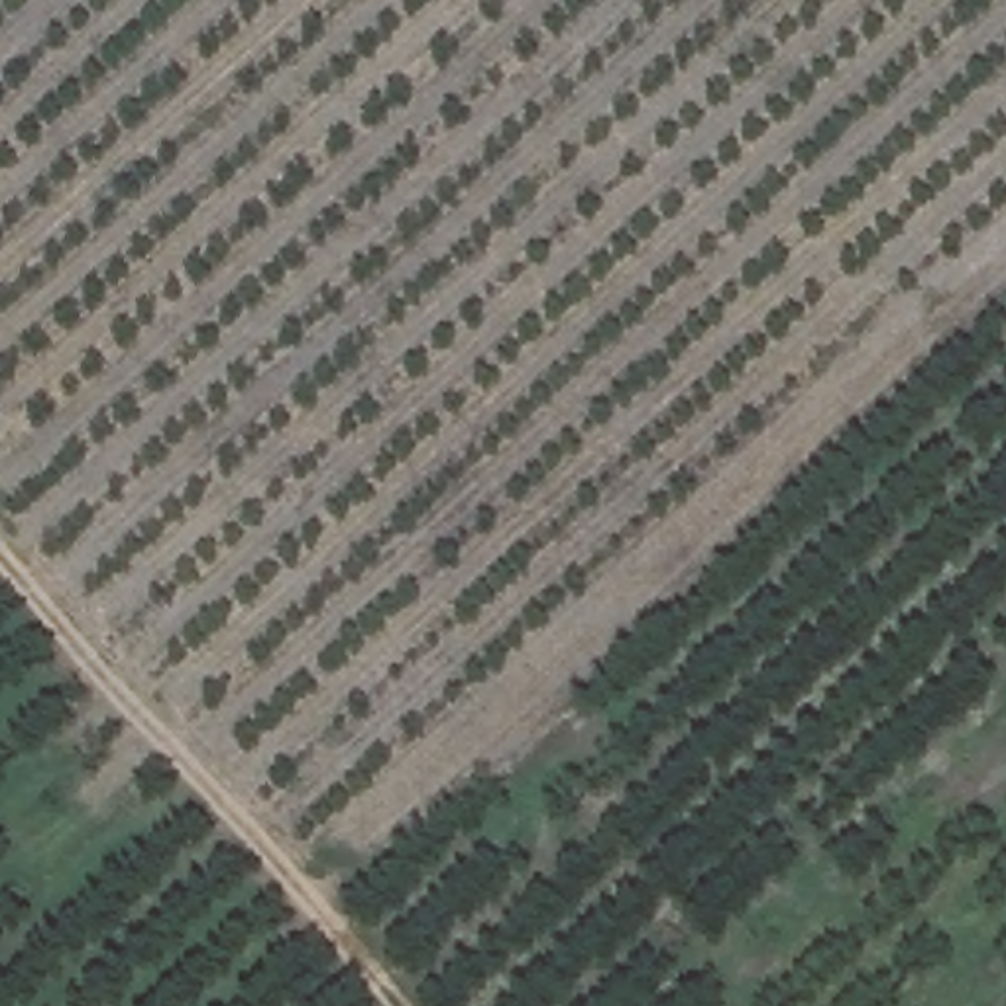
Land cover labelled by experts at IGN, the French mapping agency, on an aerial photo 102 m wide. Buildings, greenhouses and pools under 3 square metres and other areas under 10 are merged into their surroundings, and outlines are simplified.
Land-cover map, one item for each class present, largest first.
<instances>
[{"label":"deciduous trees","instance_id":"1","mask_svg":"<svg viewBox=\"0 0 1006 1006\"><path fill-rule=\"evenodd\" d=\"M110 0H83L67 16L51 20L47 31L24 55L8 59L0 71V102L31 75V67L47 51L63 47L67 35H75ZM189 0H145V8L130 24H122L102 47H94L79 71H71L16 122L24 141H39V130L51 118L86 98L122 59H130L141 47L149 31H161L169 16L181 12ZM428 0H401L393 8H381L377 20L354 35L350 51L330 55V63H322L310 75L314 94L350 79L354 67L369 59L397 31V24L417 16ZM597 0H554L546 8L550 31H566V24H574ZM680 0H641V16L621 20L609 39L589 47L582 71H570L566 79L554 75L550 98L527 102L523 118H507L483 141L479 157L440 177L420 204L397 216V236L405 244L428 232L440 220V212L479 181V173L503 161L519 145V138L538 126V118L558 114L570 102V94L601 71L605 59L644 43L660 12ZM758 0H723L719 16L699 20L688 35L676 39V51L644 67L641 86L648 94H656L676 71H684L692 55H703L715 43V35L731 31L735 20L747 16ZM994 0H955L943 16L927 20V28L912 35L865 83V90L849 94L802 141H794V157L786 165L766 169L751 189H743L727 204L731 232H743L758 212H766L770 200L790 185V177H798L825 149H833L857 118H865L872 106H884L920 59L935 55V47L955 28L978 20ZM322 35V16L310 8L303 16L299 35L275 39V51L236 71V83L244 90H255L267 75L283 71L299 51H307ZM236 35V24L220 16L196 35L200 55H216ZM472 35H475V24H468V20H464L460 28H456V31H436V35H432V59H436V63H448L452 55H456V47L464 43V39H472ZM857 51L853 31L841 28L837 51L813 55L810 67L794 71L786 90L766 94V106L778 118L806 102L841 59ZM1006 63V35L986 51L971 55L967 67L951 75L923 110H912L908 122L892 126L880 138V145L853 165L849 177L833 181L821 193V200L802 212V228L817 236L829 216L845 212L880 173L892 169L900 153H908L923 134H931L951 114V106H959L975 86L990 83L994 71ZM770 59L766 39H751L731 55V67L723 75L707 79L711 102H727L731 86L747 83L758 63ZM185 71L169 63L145 75L141 90L126 94L114 114H106L98 134L67 141L51 169H43L24 193H16L0 208V244L4 236H12L24 212L47 204L63 181L75 177L79 165L102 157L122 134L149 118V110L161 98L177 94ZM409 102V79L389 75V83L369 90L362 106L369 126L385 122L389 110ZM291 114L287 106H279L271 118H263L252 134L236 141L232 153L216 157L212 173L200 185L173 196L165 212H157L141 232H134L130 248L110 255L106 267H94L83 279V295L59 299L55 318L63 326H75L83 314H90L102 303L106 287H114L130 271V263L149 255L173 228H181L193 216L200 200L224 189L279 134H287ZM1006 134V110L990 114L986 126L975 130L963 149H955L943 161H931L927 173L912 181L908 196L892 212H880L872 228H865L857 240L841 248V267L849 275L865 271L868 259L892 236L904 232L920 204L947 189L951 177L967 173ZM181 149L173 138H165L157 153L130 161L98 189L90 216L71 220L59 236L43 244V259L35 267H20L16 279L0 283V310L20 303L43 279H51L63 255H71L83 240L98 236L130 196H138L153 177H161L177 161ZM739 161L735 138H723L719 153L692 161L696 185H707L723 165ZM417 165V141H401L389 157L362 173V181H354L334 204H326L307 224L318 244L346 224L354 208L377 200L405 169ZM310 185V165L295 157L283 169V181L267 185L279 204H291ZM538 185L523 177L507 189V196L491 204L483 220L472 224L468 236H460L440 259L424 263L413 279H405V291L385 303V314L393 322H401L405 310L417 307L444 275L479 259L487 252L491 232L507 228L523 208H531ZM1006 204V177L990 185V196L982 204H971L959 220L943 228L939 248L923 252L912 267H900L896 275L900 291H912L920 275H927L947 255H959L963 236L986 228ZM267 224L263 208L248 200L228 228L208 236V248L189 252L185 267L193 279H208L248 232ZM652 212L637 208L605 240V248L578 263L558 287H550L534 310H523L511 334L495 342L507 362H515L519 350L534 342L542 326H550L566 307L582 303L617 259H625L644 236H652ZM786 244L774 240L755 259H747L743 271L731 275L703 307L688 310V318L664 338L660 350L637 358L605 393L589 397L586 417L593 424H605L613 409L633 401V393L660 381L703 330L719 326L723 310L739 299V291L758 287L766 275L782 271ZM307 263L299 244H283L255 275L240 279L224 295L220 314L212 322L196 326L204 350L216 346L220 330H228L240 318V310L255 307L263 291H271L287 271ZM692 259L676 252L617 310L601 314L570 354H562L546 373H538L523 397H515L511 409H503L487 424V432L472 436L460 456L444 460L428 479H420L377 531L362 534L346 550L338 566L322 570V578L307 589L303 601L271 617L263 633L248 641V656L255 664H267L271 652L287 641V633H295L307 617L322 613L326 597L358 582L369 566H377L381 546H389L397 534H409L444 491H452L483 456L499 452V444L515 436L534 417V409H542L570 377H578L589 358L617 342L621 330L637 326L656 295H664L676 279L692 275ZM821 299V283L806 279V291L798 299L774 307L758 330L739 338L703 377L692 381L688 397L672 401V409L644 424L629 440V448H621V456H613L597 475L582 479L578 495L550 523L534 527L503 558H495L456 597L448 613H440L424 629L420 641H413L389 664V676L401 680L420 656H428L440 644V637L479 617V609L499 589H507L527 570L534 550L562 538L578 515L597 507V495L613 487L617 475H625V468L652 456L656 444L672 440L680 424L703 413L715 393L731 385V377L743 373L751 358L766 350V342L786 338L790 322L813 310ZM342 310V291L322 287V299H310L303 310L287 314L275 338L259 342L255 358L228 365L236 389H248L255 381L259 362H271L275 350L299 346L307 326ZM656 570L672 597L644 605L633 617V625L613 633L609 652L593 660L589 676L570 680V688L542 711L550 735L538 739L527 758H479L472 766V778H464L452 790H440L428 802V810H413L409 821L393 825L385 849L358 853L334 837L330 817L350 798L369 790L373 774L389 762L385 743H373L314 806L299 813L291 845L295 857L307 865L303 872L314 876L338 900V912L350 920L330 939L314 923H307L287 904L283 888L263 872L259 857L244 849L236 837H228L212 810L181 782L173 762L157 755L141 735H134L98 692L83 684V676L59 656L51 629H43L31 617L28 601L0 578V1006H1006V287L982 303L971 326H959L947 338H939L908 369V377H900L884 397H876L865 413L849 417L829 440H821L817 452L774 487L770 503L743 519L735 527V538L719 542L711 558H703L688 542L668 550L656 562ZM153 322V299L141 295L134 314L114 318L118 346H130L141 326ZM876 326V314L865 307L853 322H845V330L833 342L813 350L810 369L817 377L841 354L857 350V342ZM47 350V334L28 326L12 346L0 350V389L16 377V365L28 354ZM373 346V334L362 326L338 338L334 354H322L314 369L295 377L299 405H314L318 389L334 385L350 365H358L362 350ZM798 393V377L786 373L782 385L770 389L758 405L739 409V417L715 436L711 448L692 456L676 475H668V483L652 491L648 503L637 515H629V523H621L586 562L566 566L558 582L531 597L507 621L503 633H495L479 652H472L452 680H444V692L436 699H428L417 711H405L401 731L409 739H420L424 727H432L464 696V688L499 672L507 652L523 644L531 629H542L566 597L586 593V582L601 574L605 562L621 558L625 542H637L648 523L668 515V507H680L707 479L711 468L739 452L747 436H755L762 424H770L778 409L790 405ZM138 420V401L130 393H118L90 420V432L98 440ZM373 417H377V401H373V397H358L354 405H346V409H342V417H338V432H342V436H350L354 428L369 424ZM204 424L200 405L189 401L181 417H169L161 432H153L141 444V452H134L130 468L110 475L106 491L90 507L79 503L55 527L43 531V554H67L102 507L122 499V487L130 479L161 464L185 432ZM287 424L283 409H271L267 420L244 424V444H220L216 460L224 472H236L240 460L255 456L263 436ZM440 428L432 413H420L417 420L393 428V436L381 444L373 468L381 475H389L393 464H401L424 436ZM582 448L574 428H562L554 440L542 444L534 460H527L507 479V491L515 499H527V491L558 468L562 456H574ZM83 464V444L67 440L43 472L28 475L12 491L0 487V511H28L43 491H51L67 472ZM373 495L369 483L354 472L326 499L334 515H346L354 503ZM204 499V479L189 475V487L181 495H169L161 503V515L141 519L130 534H122V542L110 554L98 558L94 570H86L83 589L94 593L114 574H126L134 554L153 546L165 534V527L181 523L185 511H193ZM263 519V507L255 499H244L220 531L196 538L189 554L177 558L165 582L149 586V593L130 613H110V629L118 637L141 633L157 605H169L177 589L196 582V566L212 562L216 550L236 546L248 527ZM495 527V507L479 503L472 523L432 542L436 566H456L464 542ZM318 519H307L303 527L279 534L271 558L255 562V570L236 578V586L224 597L204 601L165 641V656L173 664H181L228 621L232 605L255 601L279 570H291L299 562V550L318 542ZM417 578L405 574L393 589H381L362 613L342 621L338 637L318 652L322 668H342L373 633H381V625L393 613L417 601ZM314 692V680L299 668L271 692V699L255 703L252 715L236 719L240 747H255L263 731H271L283 715H291V707L303 696ZM369 715L365 692H350L322 731L307 735L303 751L279 755L271 762V774L259 782V798L275 794L279 786H291L299 778V766L314 758V751H322L326 743H342L350 727H358Z\"/></svg>","mask_w":1006,"mask_h":1006},{"label":"plowed land","instance_id":"2","mask_svg":"<svg viewBox=\"0 0 1006 1006\"><path fill-rule=\"evenodd\" d=\"M83 0H0V71L8 59L24 55L47 31L51 20L67 16ZM401 0H189L181 12L169 16L161 31H149L141 47L130 59H122L86 98L51 118L39 130V141H24L16 122L71 71H79L94 47H102L122 24H130L145 8V0H110L75 35H67L63 47L47 51L31 67V75L0 102V208L16 193H24L43 169H51L67 141L98 134L106 114H114L126 94L141 90L145 75L169 63L185 71L177 94L161 98L149 110V118L122 134L102 157L79 165L75 177L63 181L47 204L24 212L12 236H4L0 244V283L16 279L20 267H35L43 259V244L59 236L71 220L90 216L98 189L130 161L157 153L165 138H173L181 149L177 161L161 177H153L138 196H130L98 236L83 240L71 255H63L51 279H43L20 303L0 310V350L12 346L28 326L47 334V350L28 354L16 365V377L0 389V487L12 491L28 475L43 472L67 440L83 444V464L67 472L51 491H43L28 511H0V534L39 574V586L67 613L71 629H79L98 648V656L141 699L153 703L161 723L185 735V743L196 751L200 762L216 770V778H224L240 798L252 802V813L267 825L271 837L291 845L299 813L314 806L373 743H385L389 762L373 774L369 790L350 798L330 817L334 837L358 853L385 849L393 825L409 821L413 810H428V802L440 790H452L464 778H472V766L479 758H527L538 739L550 735L542 711L570 688V680L589 676L593 660L609 652L613 633L633 625V617L644 605L672 597L656 570V562L668 550L688 542L703 558H711L719 542L735 538V527L743 519L770 503L774 487L817 452L821 440H829L849 417L865 413L876 397H884L900 377H908V369L939 338H947L959 326H971L982 303L1006 287V204L986 228L963 236L959 255H947L927 275H920L912 291H900L896 275L900 267H912L923 252L939 248L943 228L959 220L971 204H982L990 196V185L1006 177V134L967 173L951 177L947 189L920 204L904 232L892 236L868 259L865 271L849 275L841 267V248L857 240L865 228H872L880 212H892L908 196L912 181L927 173L931 161H943L955 149H963L975 130L986 126L990 114L1006 110V63L994 71L990 83L975 86L959 106H951V114L931 134H923L908 153H900L892 169L880 173L845 212L829 216L817 236L802 228V212L821 200V193L833 181L849 177L853 165L880 145V138L892 126L908 122L912 110H923L951 75L967 67L971 55L986 51L1006 35V0H994L978 20L955 28L935 47V55L920 59L884 106H872L865 118H857L833 149H825L798 177H790V185L770 200L766 212H758L743 232H731L727 204L743 189H751L766 169L786 165L794 157V141H802L849 94L865 90V83L912 35L927 28V20L943 16L955 0H758L747 16L735 20L731 31L715 35V43L703 55H692L684 71H676L656 94H648L641 86L644 67L676 51V39L688 35L699 20L719 16L723 0H680L660 12L644 43L605 59L601 71L570 94V102L558 114L538 118V126L519 138V145L503 161L479 173V181L440 212V220L428 232L405 244L397 236V216L420 204L440 177L479 157L483 141L507 118H523L527 102L550 98L554 75L566 79L570 71H582L589 47L609 39L621 20L641 16V0H597L574 24H566V31H550L546 8L554 0H428L417 16L397 24V31L369 59L354 67L350 79L314 94L310 75L322 63H330V55L350 51L354 35L377 20L381 8H393ZM310 8L322 16V35L307 51H299L283 71L267 75L255 90H244L236 83V71L275 51V39L299 35L303 16ZM220 16L236 24V35L216 55H200L196 35ZM464 20H468V24H475V35H472V39H464V43L456 47V55H452L448 63H436V59H432V35H436V31H456V28H460ZM841 28L853 31L857 51L841 59L806 102L778 118L766 106V94L786 90L794 71L810 67L813 55L837 51ZM751 39H766L770 59L758 63L747 83L731 86L727 102H711L707 79L723 75L731 67V55ZM389 75L409 79V102L389 110L385 122L369 126L362 106L369 90L389 83ZM279 106H287L291 114L287 134H279L224 189L200 200L193 216L181 228H173L149 255L130 263V271L114 287H106L102 303L90 314H83L75 326H63L55 318L59 299L83 295V279L94 267H106L110 255L130 248L134 232H141L157 212H165L173 196L200 185L212 173L216 157L232 153L236 141L252 134L263 118H271ZM723 138H735L739 161L723 165L707 185H696L692 161L719 153ZM401 141H417V165L405 169L377 200L354 208L346 224L318 244L307 224L326 204H334L354 181H362V173L389 157ZM295 157L310 165V185L291 204H279L267 185L283 181V169ZM523 177L538 185L531 208H523L507 228L491 232L487 252L479 259L444 275L417 307L405 310L401 322H393L385 314V303L405 291V279H413L424 263L440 259L460 236H468L472 224L483 220L491 204L507 196V189ZM248 200L263 208L267 224L248 232L208 279H193L185 267L189 252L208 248V236L228 228ZM637 208L652 212V236H644L625 259H617L582 303L566 307L550 326H542L534 342L519 350L515 362H507L495 342L511 334L523 310H534L550 287H558L578 263L605 248V240ZM774 240L786 244L782 271L766 275L758 287L739 291V299L723 310L719 326L703 330L660 381L633 393V401L613 409L605 424H593L586 417L589 397L605 393L637 358L660 350L664 338L688 318V310L703 307L731 275L743 271L747 259H755ZM283 244H299L307 263L287 271L271 291H263L255 307L240 310V318L228 330H220L216 346L204 350L196 326L212 322L220 314L224 295L240 279L255 275ZM676 252L692 259V275L676 279L664 295H656L637 326L621 330L617 342L589 358L578 377H570L542 409H534V417L515 436L499 444V452L483 456L452 491H444L409 534H397L389 546H381L377 566H369L358 582L326 597L322 613L307 617L295 633H287V641L271 652L267 664H255L248 656V641L263 633L271 617L303 601L307 589L322 578V570L338 566L346 550L362 534L377 531L420 479H428L444 460L460 456L472 436L487 432V424L503 409H511L515 397H523L538 373H546L562 354H570L601 314L617 310ZM806 279L821 283V299L813 310L790 322L786 338L766 342V350L751 358L743 373L731 377V385L715 393L703 413L680 424L672 440L656 444L652 456L625 468V475H617L613 487L597 495V507L578 515L562 538L534 550L527 570L507 589H499L479 609V617L440 637V644L428 656H420L401 680L389 676V664L413 641H420L424 629L440 613H448L456 597L495 558H503L534 527L550 523L578 495L582 479L597 475L613 456H621V448H629V440L644 424L672 409V401L688 397L692 381L703 377L739 338L758 330L774 307L798 299L806 291ZM322 287L342 291V310L307 326L299 346L275 350L271 362H259L255 381L248 389H236L228 365L255 358L259 342L275 338L287 314L303 310L310 299H322ZM141 295L153 299V322L141 326L130 346H118L114 318L134 314ZM865 307L876 314V326L857 342V350L841 354L817 377L810 369L813 350L833 342L845 330V322H853ZM362 326L373 334V346L362 350L358 365H350L334 385L318 389L314 405H299L295 377L314 369L322 354H334L338 338ZM786 373L798 377V393L790 405L778 409L770 424H762L755 436H747L739 452L711 468L707 479L680 507H668V515L648 523L637 542H625L621 558L605 562L601 574L586 582V593L566 597L542 629H531L523 644L507 652L499 672L464 688V696L432 727H424L420 739H409L401 731L405 711H417L428 699H436L444 692V680H452L472 652H479L495 633H503L507 621L531 597L558 582L566 566L586 562L621 523H629V515H637L648 503L652 491L668 483V475H676L692 456L711 448L715 436L739 417V409L758 405L770 389L782 385ZM118 393H130L138 401V420L98 440L90 432V420ZM358 397H373V401H377V417H373L369 424L354 428L350 436H342V432H338V417H342V409H346V405H354ZM189 401L200 405L204 424L185 432L161 464L130 479L122 487V499L102 507L67 554H43V531L55 527L79 503L90 507L106 491L110 475L130 468L134 452H141V444L153 432H161L169 417H181ZM271 409H283L287 424L263 436L255 456L240 460L236 472H224L216 460L220 444H244V424L267 420ZM420 413H432L440 428L424 436L401 464H393L389 475H381L373 468L381 444L393 436V428L417 420ZM562 428H574L582 448L574 456H562L558 468L527 491V499H515L507 491V479L527 460H534L542 444L554 440ZM354 472L369 483L373 495L354 503L346 515H334L326 499ZM189 475L204 479V499L193 511H185L181 523L165 527V534L153 546L134 554L126 574H114L94 593L83 589L86 570H94L98 558L110 554L122 542V534H130L141 519L161 515V503L169 495H181L189 487ZM244 499H255L263 507V519L248 527L236 546L216 550L212 562L196 566V582L177 589L169 605H157L141 633L118 637L110 629V613H130L149 593V586L165 582L177 558L189 554L196 538L220 531ZM479 503L495 507V527L464 542L456 566H436L432 542L472 523ZM307 519H318V542L299 550V562L291 570H279L255 601L232 605L228 621L181 664H173L165 656V641L204 601L224 597L236 586V578L255 570V562L271 558L279 534L303 527ZM405 574L417 578V601L393 613L381 625V633H373L342 668H322L318 652L338 637L342 621L362 613L381 589H393ZM299 668L314 680V692L303 696L291 707V715H283L271 731H263L255 747H240L236 719L252 715L255 703L271 699V692ZM350 692H365L369 715L358 727H350L342 743H326L322 751H314V758L299 766V778L291 786H279L275 794L259 798V782L271 774V762L279 755L303 751L307 735L322 731Z\"/></svg>","mask_w":1006,"mask_h":1006},{"label":"pervious surface","instance_id":"3","mask_svg":"<svg viewBox=\"0 0 1006 1006\"><path fill-rule=\"evenodd\" d=\"M0 578L28 601L31 617L43 629H51L59 656L83 676V684L98 692L134 735H141L157 755L173 762L181 782L212 810L228 837H236L244 849L259 857L263 872L283 888L287 904L307 923H314L330 939L350 920L338 912V900L314 876L303 872L307 865L295 857L291 845L271 837L267 825L252 813V802L240 798L224 778H216V770L200 762L196 751L185 743V735L161 723L153 703L141 699L98 656V648L79 629H71L67 613L39 586V574L0 534Z\"/></svg>","mask_w":1006,"mask_h":1006}]
</instances>
